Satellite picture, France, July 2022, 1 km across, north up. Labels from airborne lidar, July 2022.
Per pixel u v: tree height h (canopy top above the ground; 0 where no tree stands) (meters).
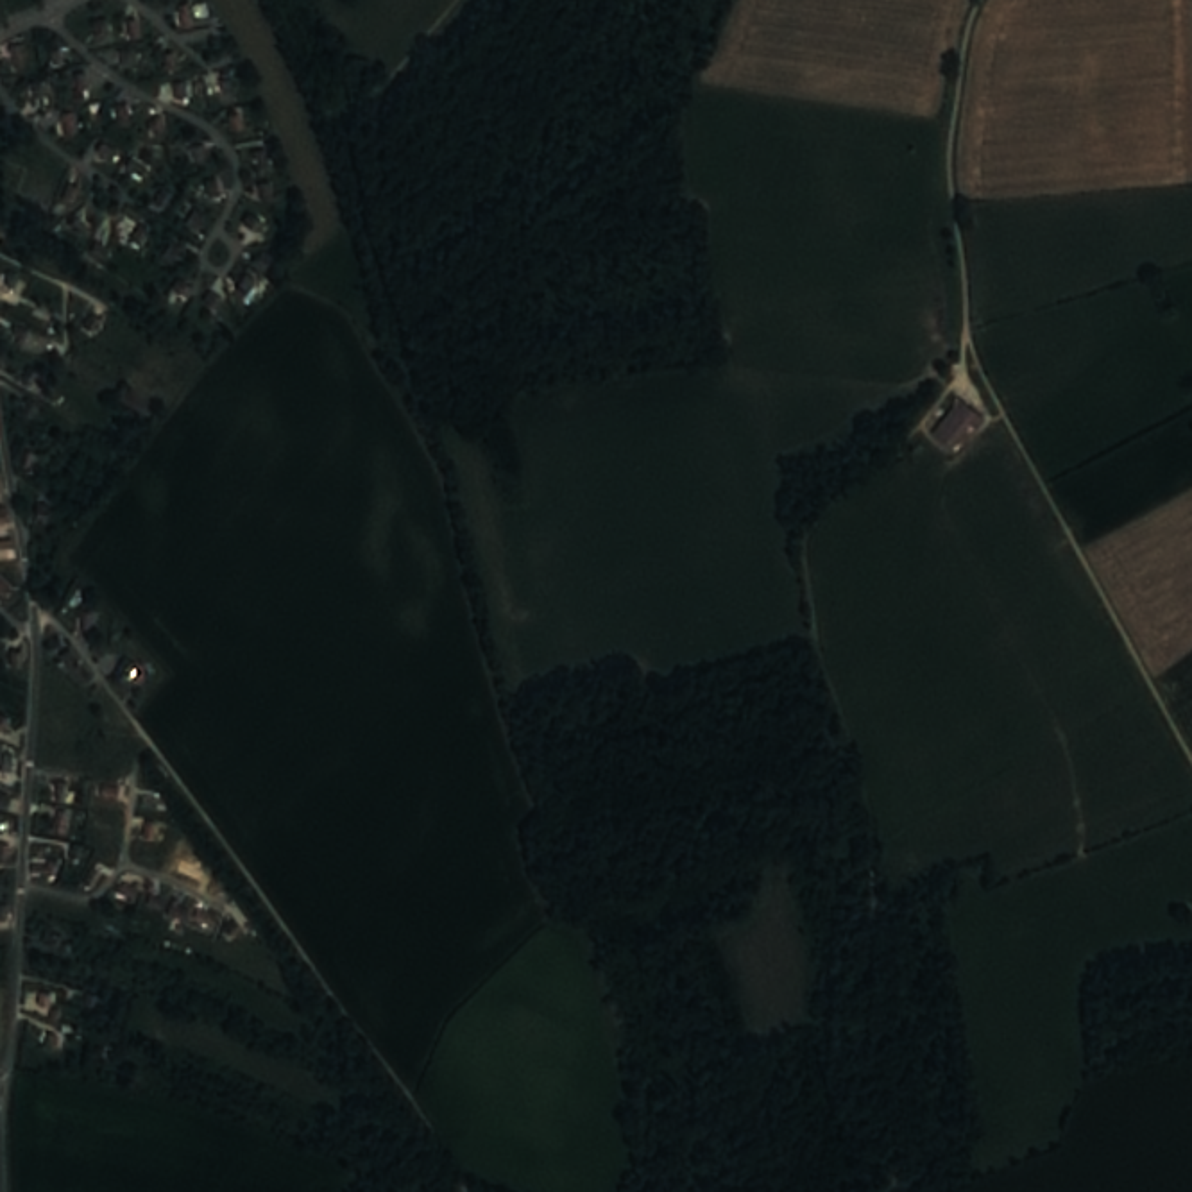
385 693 0
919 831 0
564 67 26
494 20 22
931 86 0
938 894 22
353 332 0
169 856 0
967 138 0
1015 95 0
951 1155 18
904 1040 24
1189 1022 19
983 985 0
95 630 14
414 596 0
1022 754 0
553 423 0
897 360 0
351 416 0
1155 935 0
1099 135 0
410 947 0
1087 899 0
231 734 0
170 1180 0
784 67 0
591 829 25
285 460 0
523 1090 0
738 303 0
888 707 0
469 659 0
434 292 21
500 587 0
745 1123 21
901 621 0
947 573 0
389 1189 20
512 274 27
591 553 0
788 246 0
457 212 24
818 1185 22
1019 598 0
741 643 0
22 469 5
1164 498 0
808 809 32
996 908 0
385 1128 9
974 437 0
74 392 0
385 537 0
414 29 0
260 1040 13
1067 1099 0
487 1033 0
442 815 0
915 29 0
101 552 0
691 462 0
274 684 0
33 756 0
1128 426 0
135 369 0
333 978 0
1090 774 0
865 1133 21
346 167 18
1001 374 0
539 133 15
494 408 12
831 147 0
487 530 0
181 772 0
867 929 23
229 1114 8
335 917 0
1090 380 0
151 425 9
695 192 0
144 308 13
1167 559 0
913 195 0
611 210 27
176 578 0
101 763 0
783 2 0
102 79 0
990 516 0
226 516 0
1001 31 0
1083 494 0
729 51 0
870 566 0
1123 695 0
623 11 31
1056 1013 0
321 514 0
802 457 7
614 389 0
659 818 18
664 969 23
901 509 0
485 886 0
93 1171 0
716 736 21
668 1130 25
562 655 0
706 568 0
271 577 0
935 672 0
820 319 0
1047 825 0
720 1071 25
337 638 0
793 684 16
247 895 7
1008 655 0
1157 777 0
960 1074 17
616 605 0
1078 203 0
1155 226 0
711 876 23
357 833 0
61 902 0
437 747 0
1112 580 0
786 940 0
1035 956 0
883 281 0
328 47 12
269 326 0
